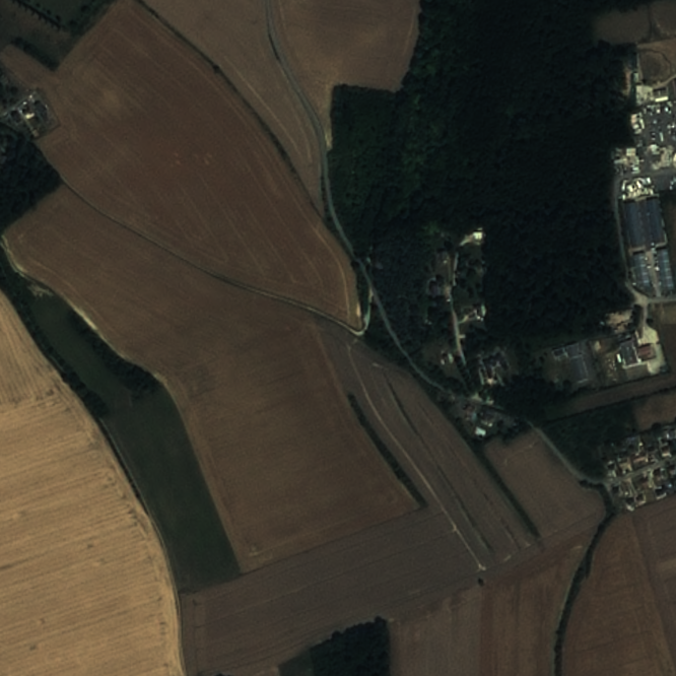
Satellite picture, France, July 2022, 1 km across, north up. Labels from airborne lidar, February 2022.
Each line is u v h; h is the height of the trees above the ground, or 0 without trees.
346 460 0
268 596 0
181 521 0
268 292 0
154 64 0
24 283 0
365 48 0
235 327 0
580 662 0
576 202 14
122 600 0
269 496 0
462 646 0
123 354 0
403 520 0
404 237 16
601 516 0
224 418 0
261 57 0
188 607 0
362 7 0
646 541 0
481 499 0
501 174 10
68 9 0
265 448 0
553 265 14
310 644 0
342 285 0
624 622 0
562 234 25
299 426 0
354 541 0
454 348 6
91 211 0
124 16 0
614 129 16
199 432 0
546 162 13
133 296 0
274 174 0
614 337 0
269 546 0
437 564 0
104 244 0
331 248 0
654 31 0
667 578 0
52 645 0
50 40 0
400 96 13
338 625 0
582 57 27
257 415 0
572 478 0
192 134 0
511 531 0
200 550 0
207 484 0
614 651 0
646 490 0
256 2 0
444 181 18
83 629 0
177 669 0
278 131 0
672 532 0
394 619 0
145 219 0
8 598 0
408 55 0
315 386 0
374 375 0
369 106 6
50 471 0
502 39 25
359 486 0
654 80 0
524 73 26
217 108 0
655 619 0
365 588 0
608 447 5
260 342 0
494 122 25
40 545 0
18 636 0
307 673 0
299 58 0
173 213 0
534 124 25
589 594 0
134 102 0
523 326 19
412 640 0
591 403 0
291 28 0
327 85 0
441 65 14
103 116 0
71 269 0
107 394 0
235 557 0
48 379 0
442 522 0
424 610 0
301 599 0
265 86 0
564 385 7
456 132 17
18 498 0
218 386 0
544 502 0
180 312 0
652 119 0
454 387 11
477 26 22
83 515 0
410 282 18
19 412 0
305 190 0
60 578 0
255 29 0
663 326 0
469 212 20
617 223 14
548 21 21
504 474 0
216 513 0
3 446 0
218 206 0
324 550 0
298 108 0
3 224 15
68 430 0
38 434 0
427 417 0
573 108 23
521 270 25
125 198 0
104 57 0
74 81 0
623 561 0
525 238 24
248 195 0
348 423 0
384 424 0
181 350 0
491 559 0
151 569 0
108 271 0
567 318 19
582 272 26
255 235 0
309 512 0
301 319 0
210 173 0
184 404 0
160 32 0
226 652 0
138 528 0
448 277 0
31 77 0
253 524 0
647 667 0
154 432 0
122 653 0
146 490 0
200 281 0
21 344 0
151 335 0
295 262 0
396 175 18
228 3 0
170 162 0
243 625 0
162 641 0
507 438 9
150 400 0
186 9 0
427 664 0
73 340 0
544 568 0
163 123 0
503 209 15
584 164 15
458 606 0
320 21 0
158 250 0
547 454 0
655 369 0
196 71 0
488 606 0
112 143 0
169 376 0
